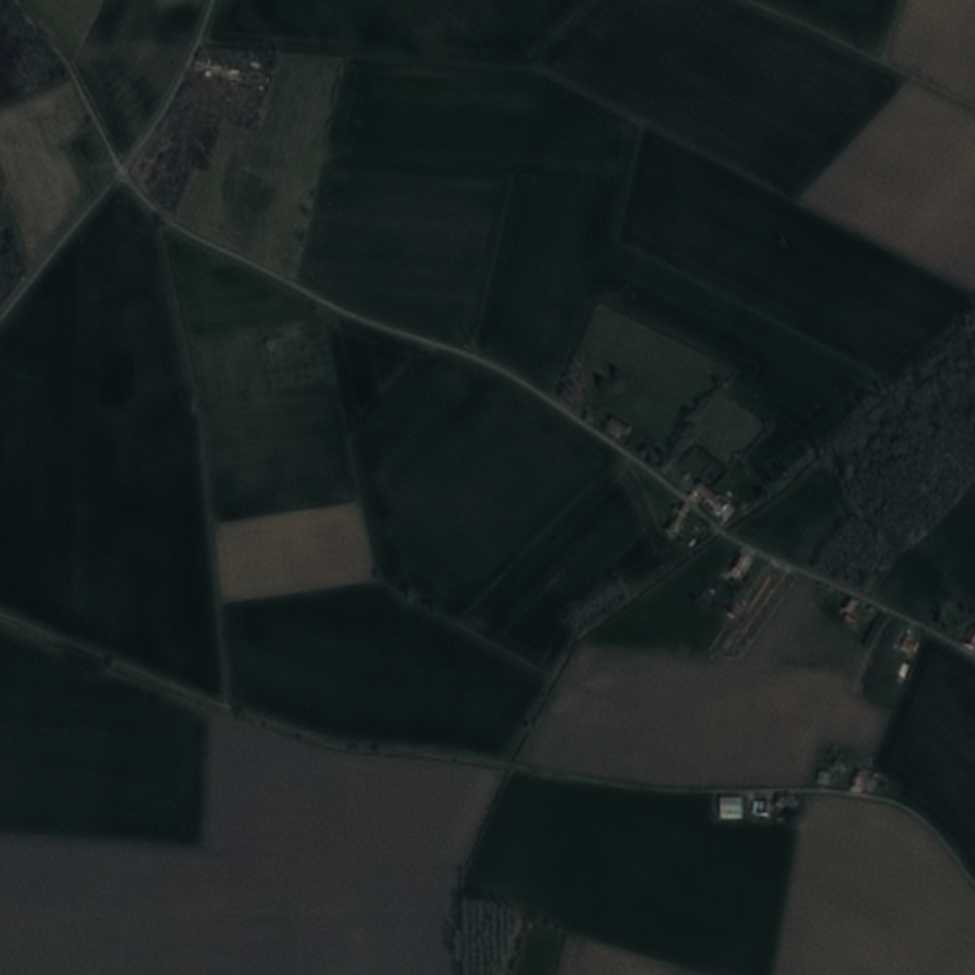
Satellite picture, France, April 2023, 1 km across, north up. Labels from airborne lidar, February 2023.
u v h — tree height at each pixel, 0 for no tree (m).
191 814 0
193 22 0
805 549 0
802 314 0
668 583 0
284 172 0
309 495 0
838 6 0
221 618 0
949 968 0
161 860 0
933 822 0
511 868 0
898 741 0
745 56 0
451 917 0
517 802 0
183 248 0
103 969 0
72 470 0
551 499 0
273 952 0
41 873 0
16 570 0
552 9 0
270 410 0
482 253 0
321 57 0
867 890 0
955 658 0
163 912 0
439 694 0
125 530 0
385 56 0
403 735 0
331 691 0
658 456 14
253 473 0
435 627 0
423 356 0
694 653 0
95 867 0
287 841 0
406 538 0
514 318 0
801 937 0
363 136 0
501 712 0
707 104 0
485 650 0
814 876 0
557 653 0
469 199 0
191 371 0
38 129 0
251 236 0
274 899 0
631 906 0
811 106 0
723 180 0
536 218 0
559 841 0
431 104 0
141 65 0
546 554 0
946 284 0
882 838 0
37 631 0
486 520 0
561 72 0
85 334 0
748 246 0
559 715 0
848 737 0
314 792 0
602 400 0
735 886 0
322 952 0
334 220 0
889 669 0
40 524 0
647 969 0
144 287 0
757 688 0
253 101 9
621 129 0
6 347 0
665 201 0
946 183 0
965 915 0
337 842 0
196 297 0
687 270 0
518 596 0
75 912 0
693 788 0
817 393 0
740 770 0
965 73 0
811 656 0
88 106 0
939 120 0
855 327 0
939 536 0
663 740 0
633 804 0
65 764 0
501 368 0
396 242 0
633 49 0
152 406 0
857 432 22
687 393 0
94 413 0
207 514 0
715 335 0
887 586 0
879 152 0
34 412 0
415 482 0
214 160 0
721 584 0
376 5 0
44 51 17
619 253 0
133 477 0
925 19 0
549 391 0
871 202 0
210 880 0
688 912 0
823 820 0
